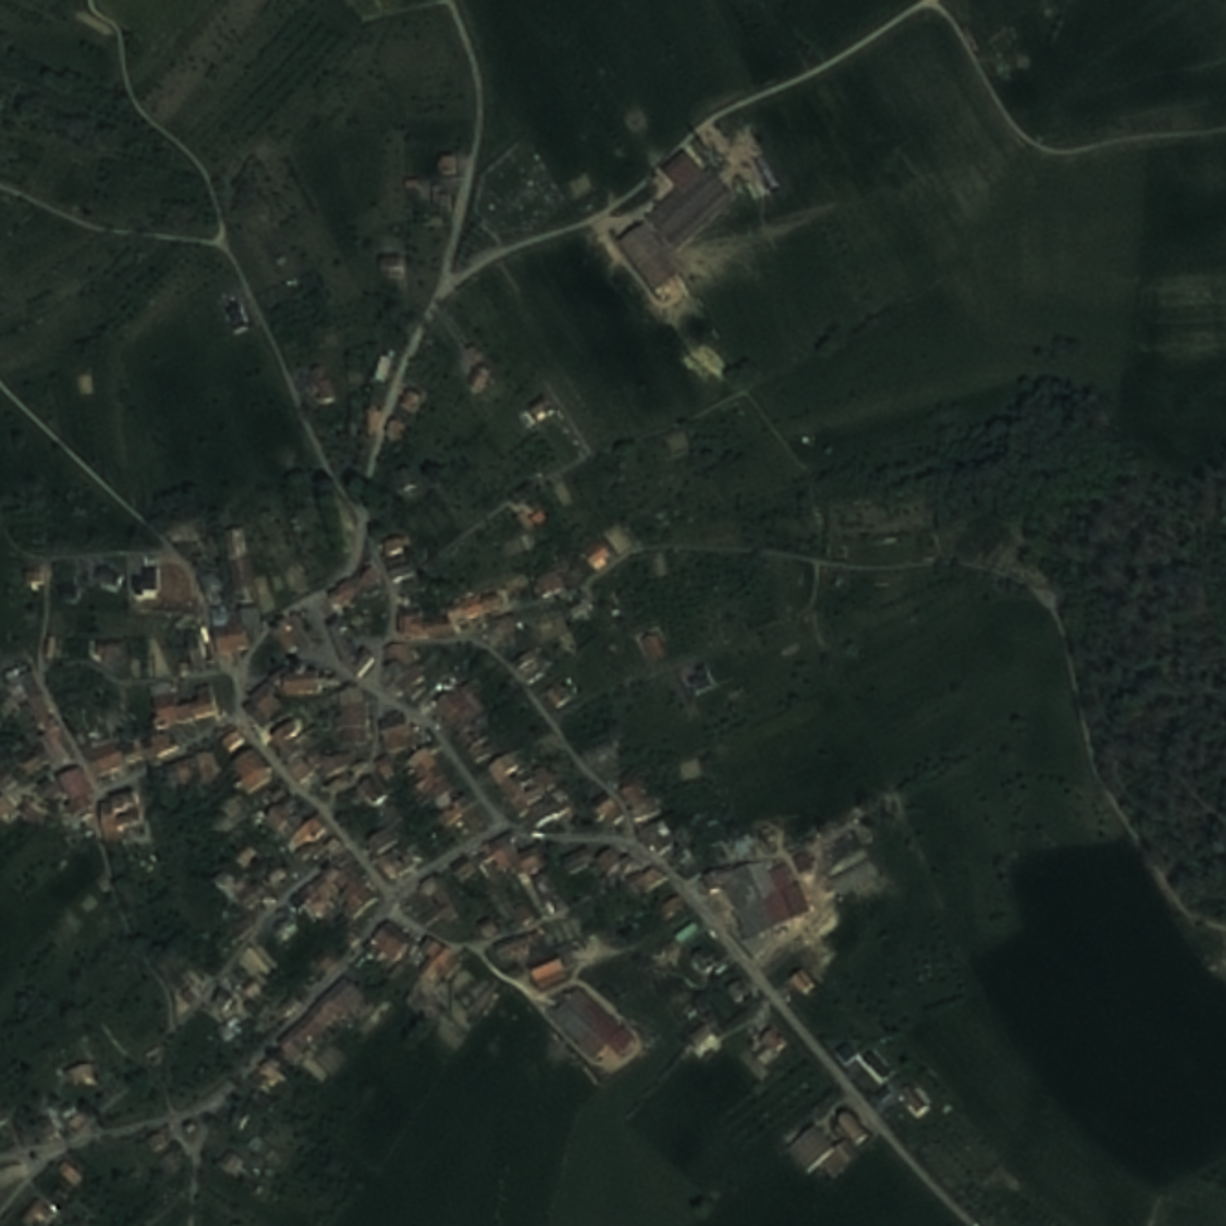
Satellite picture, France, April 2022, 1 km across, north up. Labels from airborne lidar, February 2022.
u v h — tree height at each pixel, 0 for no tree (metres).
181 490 6
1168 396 0
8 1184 0
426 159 0
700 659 0
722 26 0
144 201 0
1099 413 20
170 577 0
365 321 0
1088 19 0
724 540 0
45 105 15
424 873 0
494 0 0
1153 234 0
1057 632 0
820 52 0
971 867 0
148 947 9
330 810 0
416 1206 0
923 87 0
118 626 0
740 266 0
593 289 0
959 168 0
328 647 0
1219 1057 0
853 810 0
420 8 0
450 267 0
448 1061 0
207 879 6
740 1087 0
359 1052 0
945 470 8
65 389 0
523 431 0
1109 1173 0
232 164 0
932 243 0
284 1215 0
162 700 0
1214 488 22
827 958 0
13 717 0
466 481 8
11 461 0
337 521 13
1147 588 25
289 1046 0
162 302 0
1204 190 0
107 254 0
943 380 0
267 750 0
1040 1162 0
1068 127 0
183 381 0
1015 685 0
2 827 12
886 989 0
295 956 0
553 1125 0
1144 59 0
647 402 0
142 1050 0
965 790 0
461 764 0
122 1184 15
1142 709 14
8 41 9
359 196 0
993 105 0
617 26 0
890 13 0
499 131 0
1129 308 0
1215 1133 0
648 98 0
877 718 0
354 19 0
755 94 0
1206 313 0
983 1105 0
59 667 6
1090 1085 0
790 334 0
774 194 0
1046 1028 0
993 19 0
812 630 0
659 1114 0
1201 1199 0
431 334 9
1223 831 20
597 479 0
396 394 0
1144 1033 0
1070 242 0
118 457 0
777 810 0
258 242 0
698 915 0
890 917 0
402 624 0
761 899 0
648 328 0
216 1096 0
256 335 0
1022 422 13
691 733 0
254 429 0
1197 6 0
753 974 0
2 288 0
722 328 0
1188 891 24
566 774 0
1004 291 0
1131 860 0
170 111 0
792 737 0
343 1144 0
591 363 0
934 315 0
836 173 0
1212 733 10
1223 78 0
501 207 0
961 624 0
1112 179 0
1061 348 12
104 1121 11
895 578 0
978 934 0
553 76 0
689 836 0
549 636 0
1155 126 0
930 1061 0
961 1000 6
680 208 0
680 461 0
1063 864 0
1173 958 0
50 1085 0
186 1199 0
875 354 0
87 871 0
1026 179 0
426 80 0
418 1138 0
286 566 0
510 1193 0
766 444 0
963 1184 0
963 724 0
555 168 0
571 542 0
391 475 0
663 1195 0
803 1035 0
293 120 0
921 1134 0
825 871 0
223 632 0
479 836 0
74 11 0
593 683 0
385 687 0
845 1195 0
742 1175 0
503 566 0
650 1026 0
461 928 0
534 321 0
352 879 0
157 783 13
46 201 0
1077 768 0
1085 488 23
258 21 0
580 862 0
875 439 0
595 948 0
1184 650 10
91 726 0
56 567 0
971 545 0
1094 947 0
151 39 0
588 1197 0
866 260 0
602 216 0
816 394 0
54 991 0
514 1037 0
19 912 0
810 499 11
